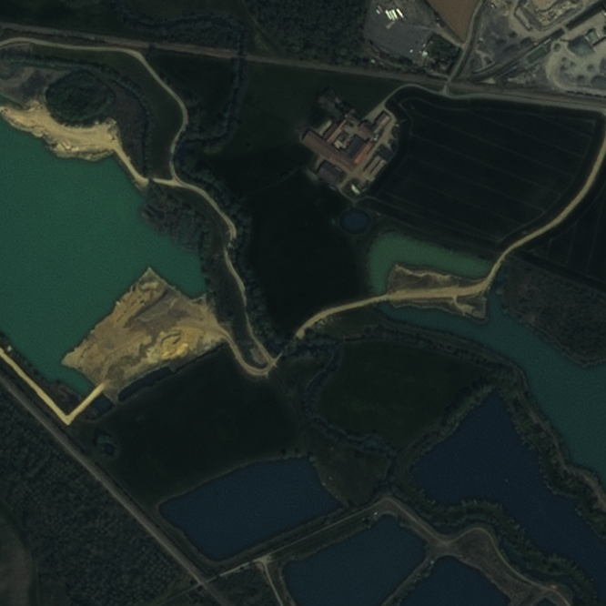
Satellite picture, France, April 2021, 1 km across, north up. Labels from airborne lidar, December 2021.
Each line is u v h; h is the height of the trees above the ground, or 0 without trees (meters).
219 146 17
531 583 0
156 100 0
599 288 0
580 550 0
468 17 0
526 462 0
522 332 0
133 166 0
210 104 0
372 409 0
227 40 6
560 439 13
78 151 0
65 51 0
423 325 0
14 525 0
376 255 0
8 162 0
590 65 0
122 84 13
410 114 0
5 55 13
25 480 25
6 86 0
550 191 0
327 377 10
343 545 0
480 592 0
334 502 0
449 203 0
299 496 0
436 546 0
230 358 0
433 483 0
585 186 0
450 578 0
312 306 0
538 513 0
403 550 0
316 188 0
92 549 22
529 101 0
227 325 0
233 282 0
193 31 7
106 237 0
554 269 0
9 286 0
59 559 8
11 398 11
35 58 10
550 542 0
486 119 0
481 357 0
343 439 12
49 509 20
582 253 0
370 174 0
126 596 21
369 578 0
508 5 0
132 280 0
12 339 0
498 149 0
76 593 6
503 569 0
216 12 0
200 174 22
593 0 0
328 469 0
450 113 0
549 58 0
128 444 0
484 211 0
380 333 12
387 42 0
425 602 0
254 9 19
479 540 0
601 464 0
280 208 0
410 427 0
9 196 0
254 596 16
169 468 0
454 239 0
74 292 0
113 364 0
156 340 0
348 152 0
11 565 0
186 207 13
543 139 0
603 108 0
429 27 0
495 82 0
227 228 0
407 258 0
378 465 0
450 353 9
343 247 0
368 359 0
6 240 0
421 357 0
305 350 12
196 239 0
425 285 0
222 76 0
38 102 0
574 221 0
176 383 0
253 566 11
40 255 0
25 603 0
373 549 0
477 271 0
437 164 0
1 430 7
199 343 0
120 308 0
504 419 0
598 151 0
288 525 0
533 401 16
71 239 0
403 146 0
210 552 0
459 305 0
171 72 0
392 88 0
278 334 12
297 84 0
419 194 0
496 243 0
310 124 0
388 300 0
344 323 0
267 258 0
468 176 0
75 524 21
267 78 0
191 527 0
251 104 0
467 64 0
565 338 14
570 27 0
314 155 0
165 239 0
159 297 0
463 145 0
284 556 0
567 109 0
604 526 20
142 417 0
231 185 0
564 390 0
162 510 0
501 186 0
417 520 0
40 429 9
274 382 0
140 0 0
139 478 0
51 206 0
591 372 0
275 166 0
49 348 0
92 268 0
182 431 0
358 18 19
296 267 0
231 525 0
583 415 0
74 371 0
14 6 0
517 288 0
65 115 17
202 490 0
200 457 0
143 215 0
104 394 0
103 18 0
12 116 0
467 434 0
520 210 0
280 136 0
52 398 0
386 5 0
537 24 0
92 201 0
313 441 0
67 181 0
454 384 0
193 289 0
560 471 12
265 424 0
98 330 0
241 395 0
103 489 16
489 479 0
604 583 0
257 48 0
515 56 0
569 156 0
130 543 11
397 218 0
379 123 0
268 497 0
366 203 0
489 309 0
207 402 0
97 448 17
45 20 0
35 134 0
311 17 25
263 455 0
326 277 0
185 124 0
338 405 0
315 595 0
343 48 28
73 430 0
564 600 0
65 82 9
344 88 0
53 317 0
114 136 0
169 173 0
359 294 0
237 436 0
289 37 24
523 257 0
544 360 0
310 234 0
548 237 0
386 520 0
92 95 12
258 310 15
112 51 0
